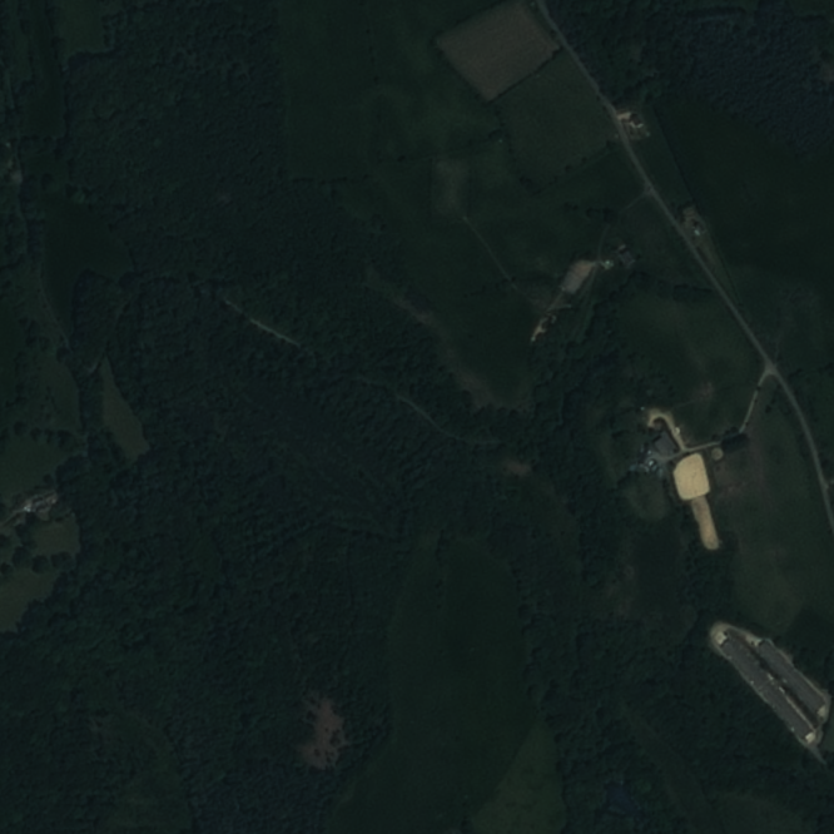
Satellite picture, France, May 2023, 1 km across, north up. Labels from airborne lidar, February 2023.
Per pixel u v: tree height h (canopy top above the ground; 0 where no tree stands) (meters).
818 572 0
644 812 13
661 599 0
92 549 22
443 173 0
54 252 0
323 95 0
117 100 20
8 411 21
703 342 0
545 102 0
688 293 15
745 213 0
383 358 6
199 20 15
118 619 18
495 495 19
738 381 0
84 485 22
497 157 0
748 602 0
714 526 0
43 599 0
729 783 17
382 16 0
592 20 17
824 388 0
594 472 14
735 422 0
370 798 0
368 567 11
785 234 0
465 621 0
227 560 17
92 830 18
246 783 24
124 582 12
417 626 0
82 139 18
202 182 11
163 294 20
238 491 17
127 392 18
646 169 0
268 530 13
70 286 0
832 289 0
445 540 7
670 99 12
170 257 19
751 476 0
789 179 0
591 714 10
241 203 10
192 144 13
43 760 23
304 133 0
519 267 0
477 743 0
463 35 0
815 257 0
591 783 17
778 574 0
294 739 13
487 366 0
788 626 0
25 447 0
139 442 0
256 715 18
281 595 18
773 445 0
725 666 12
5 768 20
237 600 21
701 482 0
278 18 9
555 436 18
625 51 6
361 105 0
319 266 12
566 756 13
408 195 0
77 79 22
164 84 16
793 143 21
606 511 15
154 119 13
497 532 20
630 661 5
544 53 0
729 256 0
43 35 0
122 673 21
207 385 16
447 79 0
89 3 0
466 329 0
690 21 22
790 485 0
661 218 0
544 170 0
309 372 6
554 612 17
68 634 20
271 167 13
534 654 11
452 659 0
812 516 0
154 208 23
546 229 0
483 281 0
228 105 15
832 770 16
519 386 0
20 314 7
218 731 19
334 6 0
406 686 0
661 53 13
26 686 24
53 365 0
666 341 0
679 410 0
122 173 21
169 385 17
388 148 0
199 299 23
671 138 13
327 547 7
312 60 0
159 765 0
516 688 0
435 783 0
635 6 15
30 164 0
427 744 0
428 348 13
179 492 23
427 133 0
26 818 20
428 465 19
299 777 21
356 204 0
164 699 22
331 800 16
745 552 0
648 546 0
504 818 0
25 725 19
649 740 0
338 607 7
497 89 0
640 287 14
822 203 0
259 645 21
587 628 10
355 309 9
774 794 16
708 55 26
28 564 14
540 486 0
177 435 16
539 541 21
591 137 0
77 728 16
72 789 19
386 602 10
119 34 18
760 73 20
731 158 0
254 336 8
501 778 0
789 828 0
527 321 0
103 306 23
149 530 19
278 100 13
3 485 0
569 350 11
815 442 0
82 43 0
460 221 0
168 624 21
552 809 0
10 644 23
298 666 7
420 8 0
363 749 8
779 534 0
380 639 10
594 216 10
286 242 14
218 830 23
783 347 0
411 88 0
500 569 0
